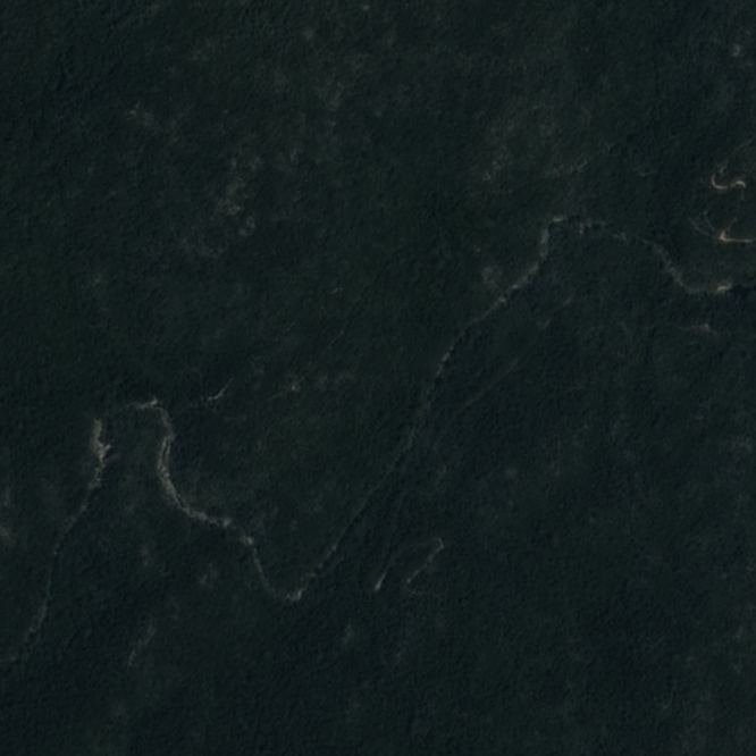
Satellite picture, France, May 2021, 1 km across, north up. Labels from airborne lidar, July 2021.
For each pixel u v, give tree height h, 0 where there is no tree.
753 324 8
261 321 8
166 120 6
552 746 8
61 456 11
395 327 10
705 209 9
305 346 7
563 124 6
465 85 6
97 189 13
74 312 6
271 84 7
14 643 6
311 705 9
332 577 7
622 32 10
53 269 7
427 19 7
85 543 8
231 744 17
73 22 13
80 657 10
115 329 6
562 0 7
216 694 8
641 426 8
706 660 7
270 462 5
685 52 6
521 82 6
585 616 7
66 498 6
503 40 7
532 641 6
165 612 8
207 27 9
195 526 10
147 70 9
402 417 10
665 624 8
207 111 9
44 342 7
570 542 7
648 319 14
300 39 10
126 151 7
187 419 11
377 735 8
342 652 6
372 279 7
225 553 12
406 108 8
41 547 14
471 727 8
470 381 6
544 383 7
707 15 10
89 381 7
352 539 9
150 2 8
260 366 7
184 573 9
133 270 10
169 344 7
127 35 7
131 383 10
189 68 7
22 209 16
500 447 8
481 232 6
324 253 6
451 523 9
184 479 8
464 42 11
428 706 7
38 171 13
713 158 9
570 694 9
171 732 11
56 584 9
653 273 6
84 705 10
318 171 6
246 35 13
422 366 7
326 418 7
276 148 9
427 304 13
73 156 12
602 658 6
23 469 11
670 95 9
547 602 7
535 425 6
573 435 6
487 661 7
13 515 8
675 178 8
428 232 8
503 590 7
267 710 10
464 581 12
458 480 7
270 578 7
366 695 11
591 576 7
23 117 18
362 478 9
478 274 6
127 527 6
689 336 7
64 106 11
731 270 8
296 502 6
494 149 6
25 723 12
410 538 7
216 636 11
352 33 18
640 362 7
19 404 12
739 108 6
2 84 10
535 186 6
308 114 10
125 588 9
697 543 6
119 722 7
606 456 6
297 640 10
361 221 7
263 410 7
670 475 10
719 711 8
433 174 9
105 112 8
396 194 6
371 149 7
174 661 12
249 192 9
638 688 7
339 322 8
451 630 7
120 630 12
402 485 7
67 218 9
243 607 7
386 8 10
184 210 5
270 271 8
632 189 6
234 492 8
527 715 9
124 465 6
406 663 7
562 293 7
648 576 7
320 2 13
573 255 7
